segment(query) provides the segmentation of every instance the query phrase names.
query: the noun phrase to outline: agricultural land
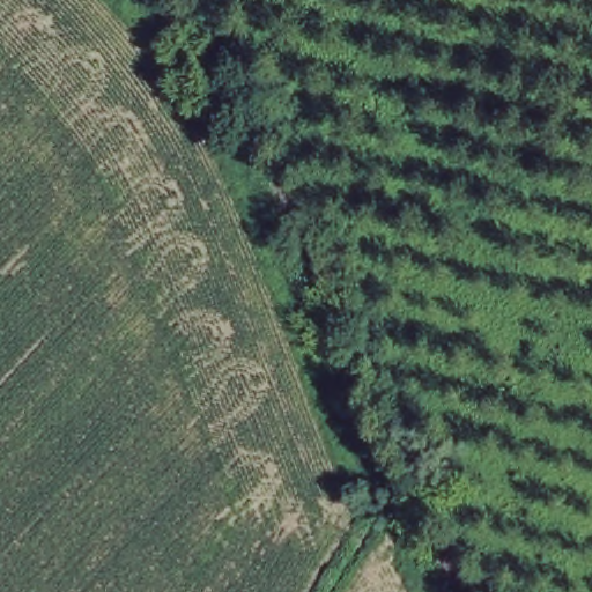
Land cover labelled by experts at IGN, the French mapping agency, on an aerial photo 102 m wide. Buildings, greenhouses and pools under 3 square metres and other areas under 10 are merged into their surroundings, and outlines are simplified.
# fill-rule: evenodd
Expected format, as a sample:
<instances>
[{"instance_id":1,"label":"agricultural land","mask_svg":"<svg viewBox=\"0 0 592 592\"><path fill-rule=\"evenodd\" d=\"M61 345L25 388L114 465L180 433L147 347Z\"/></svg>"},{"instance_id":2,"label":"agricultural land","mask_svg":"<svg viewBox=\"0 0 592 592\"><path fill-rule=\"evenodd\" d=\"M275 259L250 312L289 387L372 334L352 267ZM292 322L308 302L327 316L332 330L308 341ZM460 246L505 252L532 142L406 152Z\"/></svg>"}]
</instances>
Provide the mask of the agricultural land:
<instances>
[{"instance_id":1,"label":"agricultural land","mask_svg":"<svg viewBox=\"0 0 592 592\"><path fill-rule=\"evenodd\" d=\"M185 116L180 111L180 104L164 93L164 72L155 58L155 49L148 46L139 53L139 46L134 46L130 39L130 30L111 14L111 9L102 0L0 0L0 592L310 592L319 569L338 550L342 532L349 525L349 518L347 506L340 504L347 472L338 469L331 463L328 449L324 444L324 430L319 423L321 412L317 389L312 382L305 384L301 379L301 365L294 361L291 345L273 308L271 291L257 268L257 245L250 243L241 227L241 215L229 194L229 185L222 178L222 171L217 169L215 157L210 157L204 143L204 139L208 139L210 127L199 116Z\"/></svg>"},{"instance_id":2,"label":"agricultural land","mask_svg":"<svg viewBox=\"0 0 592 592\"><path fill-rule=\"evenodd\" d=\"M363 569L358 569L354 576L354 585L345 592L407 592L393 567L393 543L389 537L382 539L382 543L368 555Z\"/></svg>"}]
</instances>

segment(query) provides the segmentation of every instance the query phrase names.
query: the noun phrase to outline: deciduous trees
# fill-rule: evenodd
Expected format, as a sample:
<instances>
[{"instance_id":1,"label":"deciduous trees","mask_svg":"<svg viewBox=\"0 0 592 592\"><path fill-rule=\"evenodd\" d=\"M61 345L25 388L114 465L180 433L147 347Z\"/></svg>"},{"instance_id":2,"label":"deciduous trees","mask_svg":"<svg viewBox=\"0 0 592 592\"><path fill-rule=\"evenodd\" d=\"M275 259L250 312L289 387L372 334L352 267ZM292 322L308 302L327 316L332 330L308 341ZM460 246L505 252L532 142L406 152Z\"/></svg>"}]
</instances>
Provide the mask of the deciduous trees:
<instances>
[{"instance_id":1,"label":"deciduous trees","mask_svg":"<svg viewBox=\"0 0 592 592\"><path fill-rule=\"evenodd\" d=\"M553 315L562 315L571 303L564 294L557 291L553 296L546 296L546 301Z\"/></svg>"},{"instance_id":2,"label":"deciduous trees","mask_svg":"<svg viewBox=\"0 0 592 592\"><path fill-rule=\"evenodd\" d=\"M555 153L557 143L562 139L569 139L569 132L562 123L562 113L555 111L548 118L548 123L532 125L518 109L509 109L506 118L495 120L493 127L500 134L509 134L509 143L532 143L543 148L546 155L560 157Z\"/></svg>"},{"instance_id":3,"label":"deciduous trees","mask_svg":"<svg viewBox=\"0 0 592 592\"><path fill-rule=\"evenodd\" d=\"M592 183L592 164L580 162L580 171L564 171L560 176L576 185Z\"/></svg>"},{"instance_id":4,"label":"deciduous trees","mask_svg":"<svg viewBox=\"0 0 592 592\"><path fill-rule=\"evenodd\" d=\"M291 192L301 185L312 183L352 185L349 160L340 160L338 164L333 164L326 157L326 148L331 143L352 146L352 136L368 134L361 109L352 106L349 113L342 113L342 118L335 123L303 120L301 125L291 125L294 113L298 111L298 83L278 69L278 58L284 51L278 46L278 39L280 35L289 32L291 25L298 25L301 16L305 16L308 7L301 5L303 0L280 0L278 5L282 7L282 14L266 25L271 37L264 42L254 42L257 60L250 67L243 67L234 58L224 58L217 62L215 74L206 79L199 58L206 51L206 46L215 37L224 35L243 37L250 25L243 5L231 2L229 16L222 21L222 25L208 28L204 25L204 14L199 14L197 0L157 0L153 5L160 14L173 14L173 25L162 30L162 35L155 42L155 49L155 58L164 72L164 93L180 104L180 111L185 116L199 116L210 127L208 139L204 139L204 143L210 157L215 157L236 157L238 146L245 139L250 139L259 146L259 153L252 157L250 167L264 171L271 178L271 162L287 153L287 143L308 139L315 146L315 155L312 160L305 160L298 167L289 167L284 171L284 190Z\"/></svg>"},{"instance_id":5,"label":"deciduous trees","mask_svg":"<svg viewBox=\"0 0 592 592\"><path fill-rule=\"evenodd\" d=\"M315 58L315 62L308 67L308 93L321 95L333 83L328 74L331 62Z\"/></svg>"},{"instance_id":6,"label":"deciduous trees","mask_svg":"<svg viewBox=\"0 0 592 592\"><path fill-rule=\"evenodd\" d=\"M442 32L458 32L472 28L467 19L460 19L453 12L449 12L446 23L437 23Z\"/></svg>"},{"instance_id":7,"label":"deciduous trees","mask_svg":"<svg viewBox=\"0 0 592 592\"><path fill-rule=\"evenodd\" d=\"M453 148L446 148L446 169L472 171L476 160L467 155L465 143L456 143Z\"/></svg>"},{"instance_id":8,"label":"deciduous trees","mask_svg":"<svg viewBox=\"0 0 592 592\"><path fill-rule=\"evenodd\" d=\"M555 358L541 358L530 349L530 365L537 375L550 372L560 363Z\"/></svg>"},{"instance_id":9,"label":"deciduous trees","mask_svg":"<svg viewBox=\"0 0 592 592\"><path fill-rule=\"evenodd\" d=\"M530 30L518 28L520 42L513 56L534 56L532 49L537 42L530 37Z\"/></svg>"},{"instance_id":10,"label":"deciduous trees","mask_svg":"<svg viewBox=\"0 0 592 592\"><path fill-rule=\"evenodd\" d=\"M377 169L377 171L375 171L375 173L372 173L372 178L370 178L370 183L368 183L368 190L384 190L384 185L386 185L386 180L389 180L389 178L391 178L391 176L389 176L389 171L386 171L386 169Z\"/></svg>"},{"instance_id":11,"label":"deciduous trees","mask_svg":"<svg viewBox=\"0 0 592 592\"><path fill-rule=\"evenodd\" d=\"M426 21L419 19L414 7L407 7L398 14L398 30L414 32L426 39Z\"/></svg>"},{"instance_id":12,"label":"deciduous trees","mask_svg":"<svg viewBox=\"0 0 592 592\"><path fill-rule=\"evenodd\" d=\"M340 44L345 39L342 30L349 21L326 21L321 16L319 42Z\"/></svg>"},{"instance_id":13,"label":"deciduous trees","mask_svg":"<svg viewBox=\"0 0 592 592\"><path fill-rule=\"evenodd\" d=\"M391 14L384 14L379 5L372 2L358 7L358 23L375 23L382 28Z\"/></svg>"},{"instance_id":14,"label":"deciduous trees","mask_svg":"<svg viewBox=\"0 0 592 592\"><path fill-rule=\"evenodd\" d=\"M456 178L449 190L442 190L444 199L467 197L467 183Z\"/></svg>"},{"instance_id":15,"label":"deciduous trees","mask_svg":"<svg viewBox=\"0 0 592 592\"><path fill-rule=\"evenodd\" d=\"M412 206L400 213L398 220L391 220L389 227L395 229L400 236L432 234L421 217L421 210Z\"/></svg>"},{"instance_id":16,"label":"deciduous trees","mask_svg":"<svg viewBox=\"0 0 592 592\"><path fill-rule=\"evenodd\" d=\"M426 123L435 109L442 111L437 102L430 99L423 102L419 109L409 111L409 123Z\"/></svg>"},{"instance_id":17,"label":"deciduous trees","mask_svg":"<svg viewBox=\"0 0 592 592\"><path fill-rule=\"evenodd\" d=\"M345 215L375 217L375 208L361 206L358 210L352 210L349 204L342 199L328 199L326 208L312 206L305 210L291 210L282 217L278 231L271 234L268 243L264 245L282 259L301 259L303 252L310 250L317 282L315 287L305 289L305 303L296 315L291 315L291 324L294 328L298 328L298 335L303 335L303 354L310 356L310 361L319 363L317 370L310 375L312 382L317 389L321 412L326 414L326 421L338 435L338 439L352 453L356 453L358 442L365 439L375 449L375 460L379 463L382 472L389 476L382 490L377 490L368 486L363 467L358 472L347 472L340 504L347 506L349 518L363 516L365 511L384 509L389 537L393 543L400 548L409 548L419 560L437 557L439 550L451 548L453 555L460 560L460 578L465 583L483 580L493 587L490 592L564 592L562 587L553 585L553 578L562 574L562 569L557 569L555 564L543 567L543 576L537 578L537 583L520 580L511 571L481 571L481 557L486 555L486 550L481 546L467 543L465 537L474 527L472 523L483 520L490 525L497 509L469 506L479 493L476 479L469 481L460 472L451 472L444 467L456 442L451 439L451 430L442 421L442 412L428 414L421 409L421 416L428 426L421 432L402 428L395 407L398 393L407 393L416 402L426 393L426 389L421 389L416 379L409 379L407 384L393 382L391 365L400 356L400 345L395 345L389 338L386 319L368 321L365 328L358 317L354 317L354 310L347 308L347 261L345 254L333 252L333 243L340 243L338 222Z\"/></svg>"},{"instance_id":18,"label":"deciduous trees","mask_svg":"<svg viewBox=\"0 0 592 592\"><path fill-rule=\"evenodd\" d=\"M550 243L553 252L564 252L578 259L578 250L585 243L580 238L564 238Z\"/></svg>"},{"instance_id":19,"label":"deciduous trees","mask_svg":"<svg viewBox=\"0 0 592 592\"><path fill-rule=\"evenodd\" d=\"M520 167L516 157L483 157L490 169L502 173L511 171L513 167Z\"/></svg>"},{"instance_id":20,"label":"deciduous trees","mask_svg":"<svg viewBox=\"0 0 592 592\"><path fill-rule=\"evenodd\" d=\"M488 46L495 42L490 25L479 25L476 37L469 44L465 44L472 51L472 62L465 69L483 69Z\"/></svg>"}]
</instances>

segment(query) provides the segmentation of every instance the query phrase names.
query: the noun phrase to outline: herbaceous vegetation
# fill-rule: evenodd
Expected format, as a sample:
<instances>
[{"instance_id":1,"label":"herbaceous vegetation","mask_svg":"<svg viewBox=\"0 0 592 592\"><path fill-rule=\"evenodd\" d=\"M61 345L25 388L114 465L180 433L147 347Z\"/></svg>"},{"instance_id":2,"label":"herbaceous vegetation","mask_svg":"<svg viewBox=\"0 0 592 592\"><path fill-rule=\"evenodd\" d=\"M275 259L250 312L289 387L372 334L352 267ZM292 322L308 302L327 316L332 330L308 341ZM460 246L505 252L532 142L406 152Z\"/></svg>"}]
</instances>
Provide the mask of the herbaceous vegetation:
<instances>
[{"instance_id":1,"label":"herbaceous vegetation","mask_svg":"<svg viewBox=\"0 0 592 592\"><path fill-rule=\"evenodd\" d=\"M439 550L437 557L419 560L409 548L400 548L393 543L393 567L407 592L490 592L493 587L483 580L465 583L460 578L460 560L453 555L451 548Z\"/></svg>"},{"instance_id":2,"label":"herbaceous vegetation","mask_svg":"<svg viewBox=\"0 0 592 592\"><path fill-rule=\"evenodd\" d=\"M382 28L375 23L358 23L358 7L372 2L379 5L384 14L391 14ZM315 155L315 146L308 139L287 143L287 153L271 162L271 178L264 171L250 167L252 157L259 153L259 146L250 139L245 139L238 146L236 157L215 157L217 169L222 171L222 178L229 185L229 194L241 215L241 227L250 243L257 245L257 268L271 291L273 308L291 345L294 361L301 365L301 379L305 384L312 382L310 375L317 370L319 363L310 361L310 356L303 354L303 335L298 335L298 328L294 328L291 324L291 315L296 315L305 303L305 289L315 287L317 282L310 250L303 252L301 259L282 259L264 245L268 243L271 234L278 231L282 217L291 210L305 210L312 206L326 208L328 199L342 199L349 204L352 210L358 210L361 206L375 208L375 217L345 215L338 222L340 243L333 243L333 252L345 254L347 261L347 308L354 310L354 317L358 317L365 328L368 321L386 319L389 338L395 345L400 345L400 356L391 365L393 382L407 384L409 379L416 379L421 389L426 389L426 393L416 402L407 393L398 393L395 407L402 428L421 432L428 426L421 416L421 409L428 414L442 412L442 421L451 430L451 439L456 442L444 467L451 472L460 472L469 481L476 479L479 493L469 506L497 509L490 525L483 520L472 523L474 527L465 537L467 543L481 546L486 550L486 555L481 557L481 571L511 571L520 580L537 583L537 578L543 576L543 567L555 564L557 569L562 569L562 574L553 578L553 585L562 587L564 592L592 592L592 183L576 185L560 176L564 171L580 171L580 162L592 164L592 0L303 0L301 5L308 7L305 16L301 16L298 25L291 25L289 32L280 35L278 39L278 46L284 51L278 58L278 69L298 83L298 111L294 113L291 125L301 125L303 120L335 123L342 118L342 113L349 113L352 106L361 109L368 134L352 136L352 146L331 143L326 148L326 157L333 164L338 164L340 160L349 160L352 185L312 183L301 185L291 192L284 190L284 171L289 167L298 167L305 160L312 160ZM414 7L419 19L426 21L426 39L414 32L398 30L398 14L407 7ZM467 19L472 28L458 32L442 32L437 23L446 23L449 12L453 12L460 19ZM326 21L349 21L342 30L345 39L340 44L319 42L321 16ZM490 25L495 42L488 46L483 69L465 69L472 62L472 51L465 44L469 44L476 37L479 25ZM530 37L537 42L532 49L534 56L513 56L520 42L518 28L530 30ZM315 58L331 62L328 74L333 83L321 95L308 93L308 67L315 62ZM409 123L409 111L419 109L423 102L430 99L437 102L442 111L435 109L426 123ZM500 134L493 127L495 120L506 118L509 109L518 109L532 125L548 123L548 118L555 111L562 113L562 123L569 132L569 139L562 139L557 143L555 153L560 157L546 155L543 148L532 143L509 143L509 134ZM446 169L446 148L453 148L456 143L465 143L467 155L476 160L472 171ZM513 167L511 171L502 173L490 169L483 157L516 157L520 167ZM370 178L372 178L372 173L375 173L375 171L377 171L377 169L386 169L386 171L389 171L389 176L391 176L391 178L389 178L389 180L386 180L386 185L384 185L384 190L368 190L368 183L370 183ZM442 190L449 190L456 178L467 183L467 197L444 199ZM391 220L398 220L400 213L412 206L421 210L421 217L432 234L400 236L395 229L389 227ZM553 252L550 243L564 238L580 238L585 243L578 250L578 259L564 252ZM557 291L564 294L571 303L562 315L553 315L546 301L546 296L553 296ZM560 363L550 372L537 375L530 365L530 349L541 358L555 358Z\"/></svg>"},{"instance_id":3,"label":"herbaceous vegetation","mask_svg":"<svg viewBox=\"0 0 592 592\"><path fill-rule=\"evenodd\" d=\"M349 518L349 525L342 532L338 550L319 569L310 592L345 592L354 585L354 576L358 569L363 569L368 555L382 543L382 539L389 537L384 509L365 511L363 516Z\"/></svg>"},{"instance_id":4,"label":"herbaceous vegetation","mask_svg":"<svg viewBox=\"0 0 592 592\"><path fill-rule=\"evenodd\" d=\"M160 14L153 5L157 0L102 0L111 9L111 14L130 30L130 39L134 46L139 46L139 53L148 46L155 49L155 42L162 35L162 30L173 25L173 14Z\"/></svg>"},{"instance_id":5,"label":"herbaceous vegetation","mask_svg":"<svg viewBox=\"0 0 592 592\"><path fill-rule=\"evenodd\" d=\"M368 486L377 490L382 490L389 476L382 472L379 463L375 460L375 449L365 439L358 442L356 453L352 453L338 439L338 435L326 421L326 414L321 412L319 423L324 430L324 444L328 449L331 463L338 469L347 472L358 472L363 467Z\"/></svg>"},{"instance_id":6,"label":"herbaceous vegetation","mask_svg":"<svg viewBox=\"0 0 592 592\"><path fill-rule=\"evenodd\" d=\"M280 0L197 0L199 14L204 14L204 25L208 28L222 25L222 21L229 16L231 2L243 5L250 25L243 37L224 35L215 37L206 46L206 51L199 58L206 79L215 74L217 62L224 58L234 58L243 67L250 67L257 60L254 42L264 42L271 37L266 25L282 14L282 7L278 5Z\"/></svg>"}]
</instances>

